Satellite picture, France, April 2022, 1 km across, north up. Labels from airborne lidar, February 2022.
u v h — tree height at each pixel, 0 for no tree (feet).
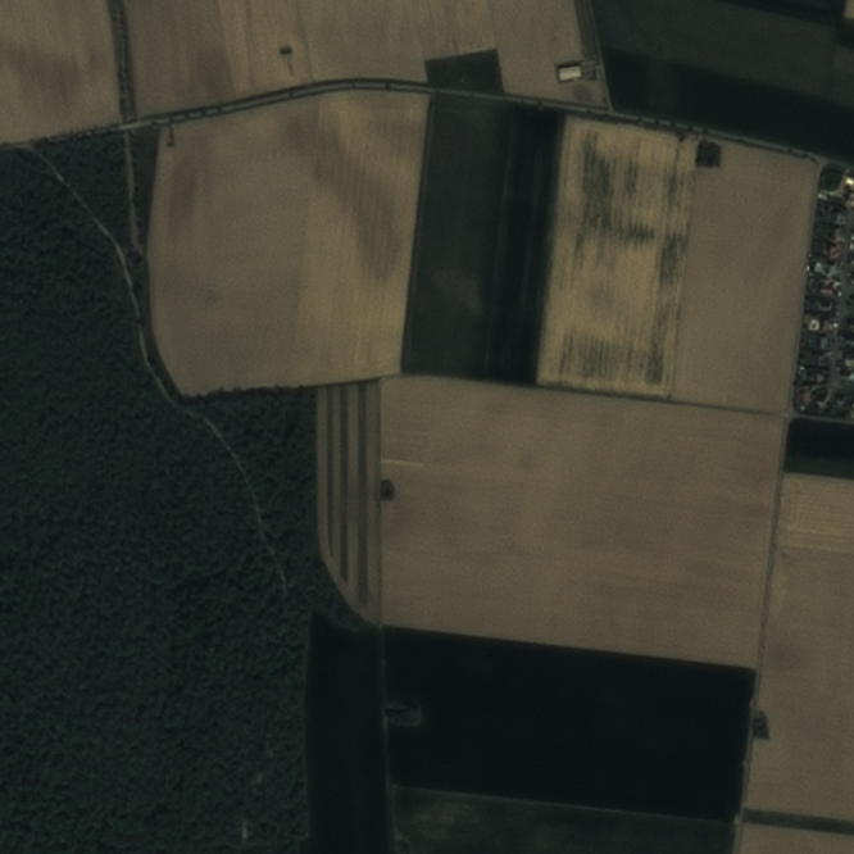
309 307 0
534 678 0
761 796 0
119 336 21
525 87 0
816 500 0
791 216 0
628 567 0
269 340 0
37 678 73
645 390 0
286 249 0
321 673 0
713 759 0
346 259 0
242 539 57
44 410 29
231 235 0
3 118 0
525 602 0
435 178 0
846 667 0
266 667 39
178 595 45
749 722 0
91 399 31
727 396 0
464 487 0
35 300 43
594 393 0
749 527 0
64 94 0
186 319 0
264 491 64
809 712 0
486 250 0
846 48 0
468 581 0
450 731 0
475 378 0
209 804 58
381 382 0
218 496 60
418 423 0
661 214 0
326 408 0
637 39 0
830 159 0
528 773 0
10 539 79
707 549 0
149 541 77
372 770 0
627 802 0
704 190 0
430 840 0
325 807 0
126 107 44
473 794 0
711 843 0
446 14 0
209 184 0
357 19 0
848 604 0
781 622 0
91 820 72
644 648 0
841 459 0
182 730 71
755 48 0
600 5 0
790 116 0
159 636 72
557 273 0
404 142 0
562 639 0
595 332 0
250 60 0
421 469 0
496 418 0
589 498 0
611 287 0
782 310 0
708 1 0
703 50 0
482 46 0
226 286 0
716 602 0
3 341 50
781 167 0
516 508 0
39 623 71
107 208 51
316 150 0
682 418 0
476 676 0
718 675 0
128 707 74
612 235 0
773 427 0
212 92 0
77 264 65
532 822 0
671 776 0
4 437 53
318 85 0
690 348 0
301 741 39
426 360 0
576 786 0
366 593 0
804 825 0
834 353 0
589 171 0
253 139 0
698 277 0
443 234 0
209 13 0
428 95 0
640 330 0
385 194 0
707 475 0
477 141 0
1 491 67
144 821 54
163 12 0
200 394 0
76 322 54
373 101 0
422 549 0
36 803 50
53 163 49
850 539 0
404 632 0
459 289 0
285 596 72
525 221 0
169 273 0
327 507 0
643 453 0
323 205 0
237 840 49
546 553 0
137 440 67
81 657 69
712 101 0
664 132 0
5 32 0
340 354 0
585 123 0
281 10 0
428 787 0
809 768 0
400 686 0
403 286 0
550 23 0
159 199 0
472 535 0
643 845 0
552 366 0
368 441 0
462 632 0
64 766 53
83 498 58
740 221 0
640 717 0
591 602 0
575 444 0
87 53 0
